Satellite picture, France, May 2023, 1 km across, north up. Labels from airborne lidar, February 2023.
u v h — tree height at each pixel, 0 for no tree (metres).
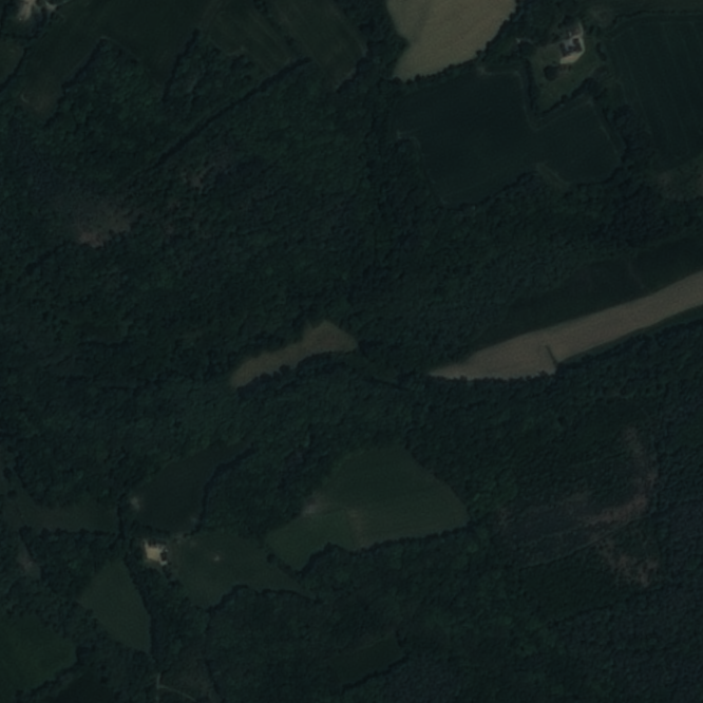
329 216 11
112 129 18
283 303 8
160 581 18
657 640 21
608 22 0
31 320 11
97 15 0
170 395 21
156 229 10
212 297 16
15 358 20
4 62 0
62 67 0
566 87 0
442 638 21
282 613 19
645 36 0
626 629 21
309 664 16
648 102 0
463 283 9
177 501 0
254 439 20
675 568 15
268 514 17
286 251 19
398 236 5
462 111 0
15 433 14
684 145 0
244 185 10
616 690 15
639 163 15
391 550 21
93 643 15
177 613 18
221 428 25
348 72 0
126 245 23
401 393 24
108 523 0
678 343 20
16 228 26
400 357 22
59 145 15
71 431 22
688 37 0
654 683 17
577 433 9
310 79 23
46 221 13
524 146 0
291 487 16
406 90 6
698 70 0
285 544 0
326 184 16
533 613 16
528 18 24
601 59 0
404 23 0
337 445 18
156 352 20
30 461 21
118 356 23
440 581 15
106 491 14
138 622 0
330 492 0
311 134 20
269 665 14
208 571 0
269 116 20
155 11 0
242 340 8
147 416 28
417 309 11
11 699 0
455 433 18
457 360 18
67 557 23
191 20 0
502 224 20
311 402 22
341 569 22
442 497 0
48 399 23
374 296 26
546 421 18
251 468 20
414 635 18
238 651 23
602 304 0
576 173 0
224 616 21
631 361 19
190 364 18
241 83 9
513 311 0
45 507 14
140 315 11
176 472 0
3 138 17
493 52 15
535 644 14
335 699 17
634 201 36
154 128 16
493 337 0
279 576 0
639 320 0
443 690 22
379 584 20
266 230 11
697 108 0
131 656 12
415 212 20
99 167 14
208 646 23
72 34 0
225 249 22
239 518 17
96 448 21
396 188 24
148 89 17
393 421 26
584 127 0
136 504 0
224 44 0
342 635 15
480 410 17
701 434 17
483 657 18
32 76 0
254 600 19
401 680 21
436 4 0
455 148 0
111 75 20
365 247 20
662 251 0
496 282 11
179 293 18
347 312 9
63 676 20
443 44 0
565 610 9
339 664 0
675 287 0
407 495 0
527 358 0
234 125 15
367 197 13
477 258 9
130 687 12
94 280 14
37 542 19
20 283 12
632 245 38
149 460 20
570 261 11
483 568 12
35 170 20
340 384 24
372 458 0
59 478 17
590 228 18
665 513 18
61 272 20
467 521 0
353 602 21
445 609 12
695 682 14
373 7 6
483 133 0
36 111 0
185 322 20
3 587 24
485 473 13
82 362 13
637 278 0
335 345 0
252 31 0
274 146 19
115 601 0
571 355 0
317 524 0
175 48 0
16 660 0
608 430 8
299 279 20
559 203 14
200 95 17
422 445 19
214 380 28
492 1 0
